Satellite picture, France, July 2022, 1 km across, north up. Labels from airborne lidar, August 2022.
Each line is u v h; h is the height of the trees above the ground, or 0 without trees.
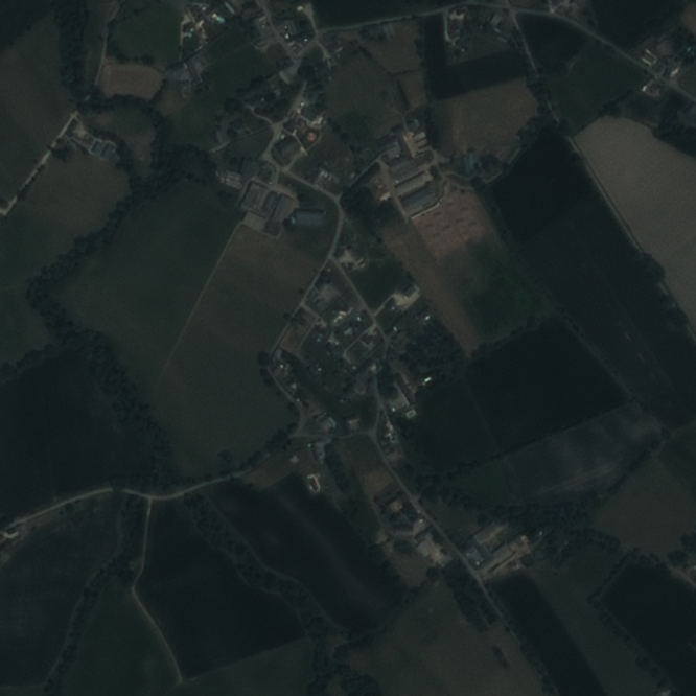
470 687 0
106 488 0
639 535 0
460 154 0
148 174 0
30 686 0
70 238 0
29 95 0
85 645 0
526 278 0
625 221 0
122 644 0
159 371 0
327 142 0
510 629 10
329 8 0
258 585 13
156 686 0
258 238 0
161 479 18
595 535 15
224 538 7
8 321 0
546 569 0
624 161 0
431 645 0
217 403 0
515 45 13
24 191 10
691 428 0
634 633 0
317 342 0
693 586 0
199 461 0
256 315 0
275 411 0
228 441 0
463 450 0
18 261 0
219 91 0
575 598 0
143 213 0
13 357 0
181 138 0
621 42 0
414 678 0
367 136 0
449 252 0
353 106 0
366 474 0
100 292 0
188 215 0
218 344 0
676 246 0
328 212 0
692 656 0
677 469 0
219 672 0
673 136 15
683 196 0
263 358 15
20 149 0
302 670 0
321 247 0
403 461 0
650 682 0
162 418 0
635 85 0
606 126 0
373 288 0
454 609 0
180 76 0
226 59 0
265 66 0
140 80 0
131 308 0
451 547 0
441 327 27
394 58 0
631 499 0
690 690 0
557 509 7
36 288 8
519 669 0
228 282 0
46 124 0
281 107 15
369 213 11
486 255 0
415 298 0
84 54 22
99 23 0
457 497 17
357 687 23
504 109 0
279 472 0
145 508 6
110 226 11
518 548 0
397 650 0
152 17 0
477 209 0
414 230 0
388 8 0
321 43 0
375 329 0
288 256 0
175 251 0
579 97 0
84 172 0
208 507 8
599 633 0
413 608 0
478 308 0
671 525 0
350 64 0
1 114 0
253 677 0
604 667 0
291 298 0
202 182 8
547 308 0
